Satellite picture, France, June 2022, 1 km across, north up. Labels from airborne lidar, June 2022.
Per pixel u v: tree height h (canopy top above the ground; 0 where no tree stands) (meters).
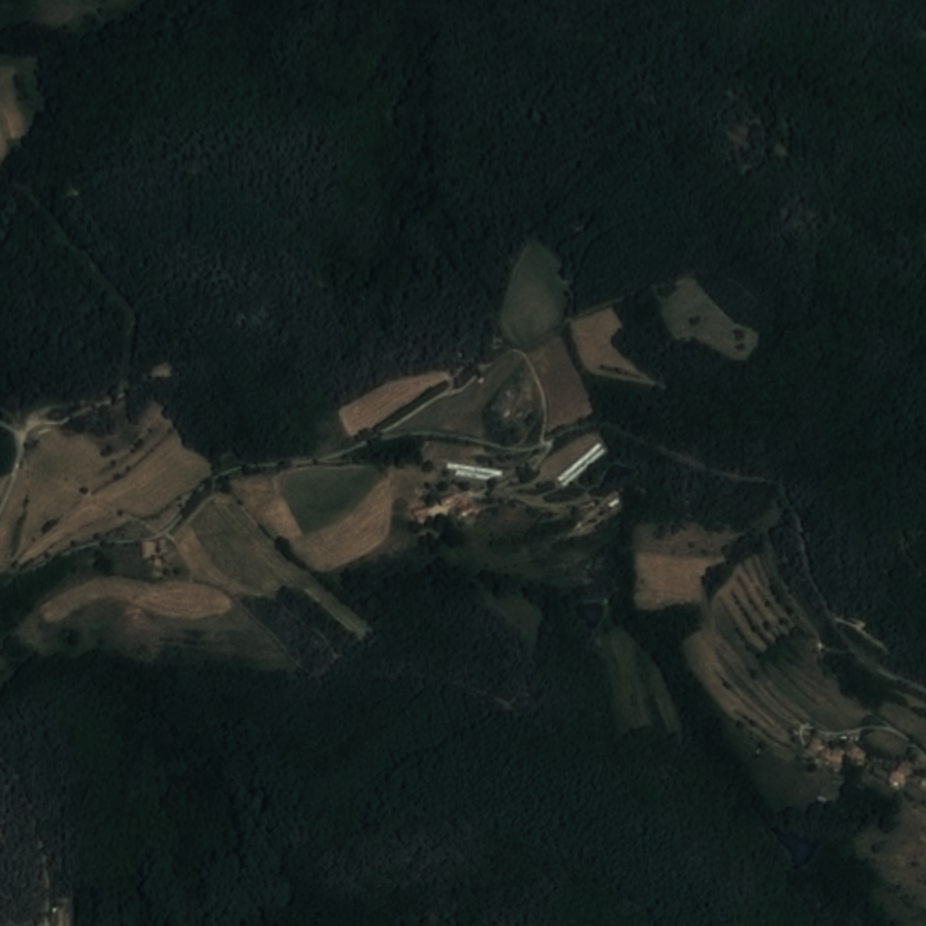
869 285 15
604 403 11
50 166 12
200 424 19
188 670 13
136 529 0
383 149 16
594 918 14
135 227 11
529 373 0
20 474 0
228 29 19
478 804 27
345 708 15
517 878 12
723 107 17
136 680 9
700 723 20
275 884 36
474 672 6
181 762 30
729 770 19
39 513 0
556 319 0
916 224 15
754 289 6
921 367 18
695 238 14
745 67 23
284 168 18
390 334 16
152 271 12
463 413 0
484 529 0
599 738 18
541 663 11
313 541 0
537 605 13
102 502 0
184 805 16
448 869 13
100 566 11
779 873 16
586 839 24
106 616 0
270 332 15
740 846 14
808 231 8
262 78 14
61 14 0
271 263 13
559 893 14
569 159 15
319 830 16
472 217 17
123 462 0
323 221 16
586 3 16
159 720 20
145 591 0
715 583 12
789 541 19
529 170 17
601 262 14
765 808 16
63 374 17
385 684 13
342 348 19
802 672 0
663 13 15
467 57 19
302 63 26
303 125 20
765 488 17
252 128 8
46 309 18
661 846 24
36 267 14
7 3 11
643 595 0
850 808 8
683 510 18
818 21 17
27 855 13
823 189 15
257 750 21
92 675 20
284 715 13
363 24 21
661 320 11
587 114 13
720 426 19
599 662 18
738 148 10
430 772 28
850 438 14
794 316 12
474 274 10
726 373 15
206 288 10
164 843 21
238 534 0
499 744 23
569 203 17
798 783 0
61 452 0
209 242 20
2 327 22
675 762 15
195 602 0
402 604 11
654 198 14
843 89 16
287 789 32
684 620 7
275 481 0
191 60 15
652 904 23
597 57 13
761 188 14
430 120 16
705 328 0
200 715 14
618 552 13
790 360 17
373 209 21
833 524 16
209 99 12
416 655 8
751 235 15
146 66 17
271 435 18
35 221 20
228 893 33
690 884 22
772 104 20
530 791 24
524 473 8
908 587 14
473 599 17
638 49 14
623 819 22
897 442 13
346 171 21
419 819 24
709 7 17
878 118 13
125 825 21
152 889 28
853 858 10
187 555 0
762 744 9
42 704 12
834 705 0
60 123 22
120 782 21
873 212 20
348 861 18
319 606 15
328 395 13
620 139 13
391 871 10
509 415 0
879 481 16
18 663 8
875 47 15
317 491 0
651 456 14
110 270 16
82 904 18
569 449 0
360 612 9
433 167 19
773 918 12
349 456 12
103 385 12
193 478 0
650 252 16
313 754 17
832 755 0
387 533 0
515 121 17
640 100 12
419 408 7
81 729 20
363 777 17
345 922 26
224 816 15
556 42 16
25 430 0
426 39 23
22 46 23
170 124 13
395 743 16
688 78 20
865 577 14
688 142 13
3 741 13
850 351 12
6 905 10
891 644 14
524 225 19
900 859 0
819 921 16
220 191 20
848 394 19
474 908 16
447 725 15
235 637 0
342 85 18
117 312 18
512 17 15
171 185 11
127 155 9
